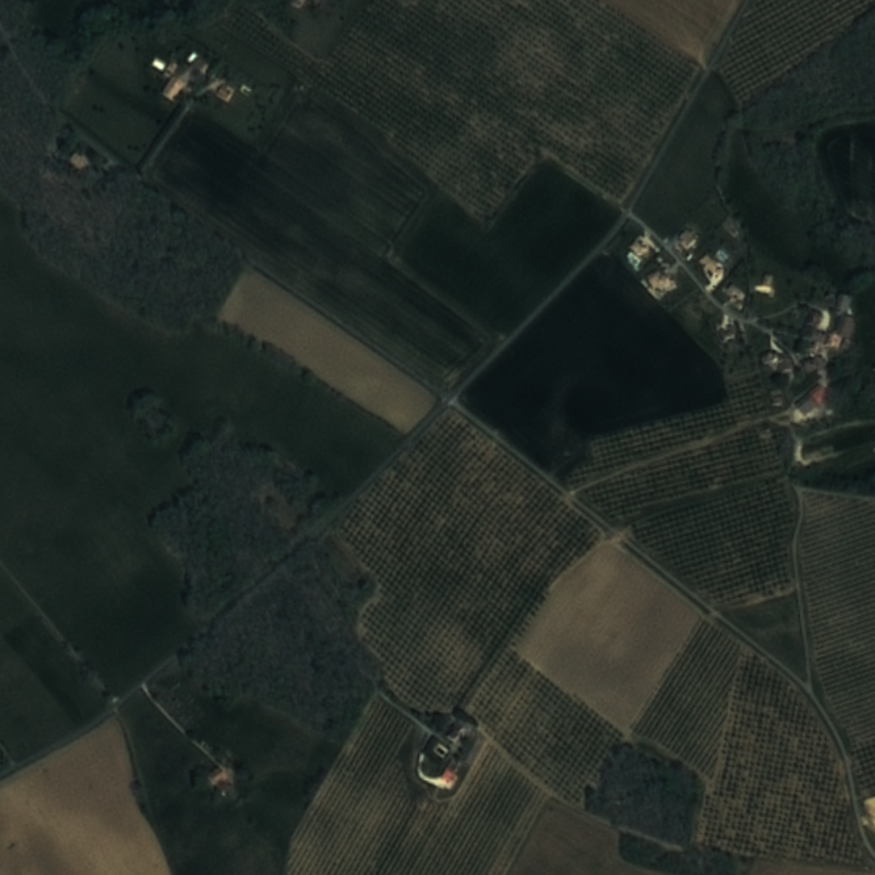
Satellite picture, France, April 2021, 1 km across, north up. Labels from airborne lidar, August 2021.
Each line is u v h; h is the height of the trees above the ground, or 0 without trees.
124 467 0
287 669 20
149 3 0
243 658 20
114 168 0
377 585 14
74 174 14
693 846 10
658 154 0
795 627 0
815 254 0
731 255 0
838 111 17
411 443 0
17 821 0
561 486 0
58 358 0
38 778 0
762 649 0
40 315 0
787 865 0
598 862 0
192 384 0
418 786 0
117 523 0
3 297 0
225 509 22
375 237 0
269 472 17
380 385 0
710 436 0
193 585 17
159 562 0
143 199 21
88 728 0
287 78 0
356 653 21
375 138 0
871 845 0
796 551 0
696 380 0
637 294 0
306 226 0
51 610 0
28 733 0
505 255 0
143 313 15
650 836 17
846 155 0
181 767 0
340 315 0
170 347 0
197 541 19
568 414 0
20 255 0
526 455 0
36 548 0
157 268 19
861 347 15
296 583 19
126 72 0
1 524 0
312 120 0
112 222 22
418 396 0
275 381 0
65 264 18
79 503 0
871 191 0
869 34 18
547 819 0
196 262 22
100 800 0
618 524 0
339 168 0
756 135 14
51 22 0
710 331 0
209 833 0
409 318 0
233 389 0
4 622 0
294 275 0
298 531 12
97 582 0
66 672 0
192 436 0
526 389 0
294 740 0
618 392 0
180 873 0
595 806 16
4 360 0
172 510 19
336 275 0
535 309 0
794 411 0
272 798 0
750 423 0
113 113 0
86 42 11
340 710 20
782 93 18
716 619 0
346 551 0
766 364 10
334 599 19
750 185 0
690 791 20
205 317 19
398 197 0
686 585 0
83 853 0
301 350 0
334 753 0
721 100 0
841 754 0
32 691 0
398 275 0
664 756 0
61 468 0
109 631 0
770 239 0
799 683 0
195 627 0
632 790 17
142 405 20
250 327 0
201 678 16
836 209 12
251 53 0
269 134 0
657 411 0
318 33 0
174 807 0
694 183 0
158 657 0
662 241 0
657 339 0
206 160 0
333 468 0
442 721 10
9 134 22
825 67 16
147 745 0
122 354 0
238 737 0
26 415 0
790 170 19
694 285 0
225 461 18
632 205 0
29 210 18
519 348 0
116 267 19
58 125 23
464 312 0
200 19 18
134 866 0
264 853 0
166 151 0
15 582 0
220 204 0
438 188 0
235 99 0
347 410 0
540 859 0
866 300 0
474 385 0
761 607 0
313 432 0
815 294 10
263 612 22
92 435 0
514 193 12
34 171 18
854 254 9
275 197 0
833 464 0
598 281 0
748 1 0
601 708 0
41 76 23
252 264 14
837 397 19
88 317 0
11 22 19
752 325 0
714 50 0
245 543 21
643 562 0
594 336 0
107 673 0
